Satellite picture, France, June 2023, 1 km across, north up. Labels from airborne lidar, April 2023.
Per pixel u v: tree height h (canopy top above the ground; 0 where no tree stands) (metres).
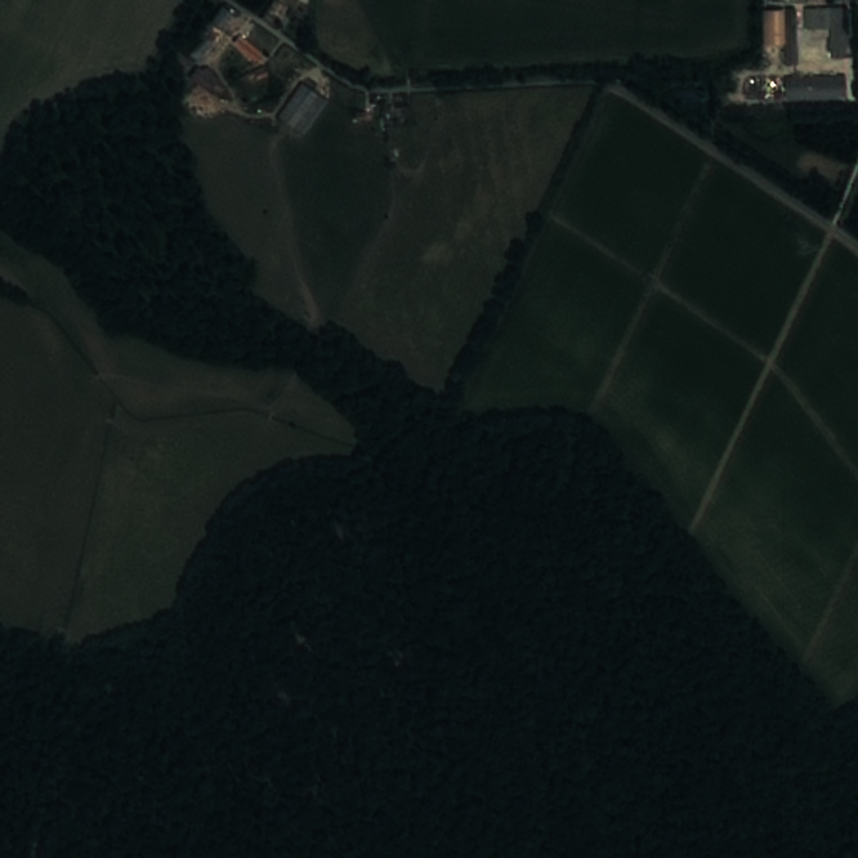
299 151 0
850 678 0
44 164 20
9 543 0
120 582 0
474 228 0
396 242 0
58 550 0
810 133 10
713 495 0
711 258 0
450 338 0
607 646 21
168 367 0
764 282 0
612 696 19
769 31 0
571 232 0
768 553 0
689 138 0
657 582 19
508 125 0
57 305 0
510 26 0
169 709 22
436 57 0
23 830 24
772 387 0
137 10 0
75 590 0
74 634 0
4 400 0
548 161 0
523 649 19
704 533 0
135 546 0
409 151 0
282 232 0
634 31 0
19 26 0
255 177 0
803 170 0
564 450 25
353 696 24
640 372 0
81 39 0
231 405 0
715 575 16
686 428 0
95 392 0
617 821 19
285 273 0
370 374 18
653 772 23
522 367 0
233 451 0
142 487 0
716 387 0
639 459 0
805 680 18
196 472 0
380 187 0
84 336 0
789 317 0
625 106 0
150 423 0
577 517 21
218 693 23
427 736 20
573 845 21
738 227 0
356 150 0
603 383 0
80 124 20
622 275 0
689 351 0
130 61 0
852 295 0
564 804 18
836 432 0
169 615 10
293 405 0
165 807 20
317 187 0
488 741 17
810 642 0
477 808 21
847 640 0
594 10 0
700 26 0
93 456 0
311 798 23
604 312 0
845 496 0
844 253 0
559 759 20
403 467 22
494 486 21
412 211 0
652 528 17
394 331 0
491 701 16
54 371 0
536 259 0
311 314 0
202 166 0
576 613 20
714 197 0
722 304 0
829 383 0
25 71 0
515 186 0
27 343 0
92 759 21
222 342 20
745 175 0
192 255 20
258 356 20
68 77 0
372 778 20
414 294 0
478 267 0
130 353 0
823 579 0
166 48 17
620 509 24
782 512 0
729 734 23
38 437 0
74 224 19
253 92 0
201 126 0
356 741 18
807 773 19
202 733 21
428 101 0
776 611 0
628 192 0
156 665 20
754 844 22
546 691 19
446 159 0
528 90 0
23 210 16
